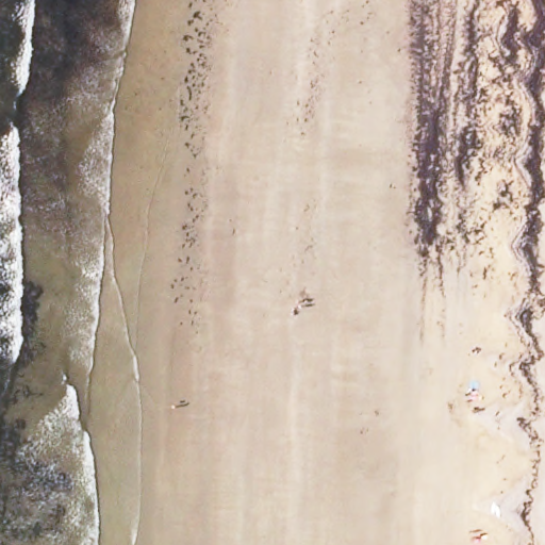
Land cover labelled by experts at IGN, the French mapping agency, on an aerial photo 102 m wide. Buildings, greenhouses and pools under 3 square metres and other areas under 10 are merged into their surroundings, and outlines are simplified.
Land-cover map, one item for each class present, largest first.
<instances>
[{"label":"bare soil","instance_id":"1","mask_svg":"<svg viewBox=\"0 0 545 545\"><path fill-rule=\"evenodd\" d=\"M134 64L123 66V60H115V70L111 75V89H117L113 111V162L109 198L113 273H102L100 277V311L94 341V349L100 351V370L94 381L92 419L89 428L85 430L94 456V479L100 515L98 545H545V0H136L130 30Z\"/></svg>","mask_w":545,"mask_h":545},{"label":"water","instance_id":"2","mask_svg":"<svg viewBox=\"0 0 545 545\"><path fill-rule=\"evenodd\" d=\"M136 0H0V545H98L100 515L94 479V456L85 430L89 428L92 419L94 381L100 370V351L94 349V341L100 311V277L102 273H113L109 198L113 162V111L117 89H111V75L115 70V60H123V66L134 64L130 30Z\"/></svg>","mask_w":545,"mask_h":545}]
</instances>
